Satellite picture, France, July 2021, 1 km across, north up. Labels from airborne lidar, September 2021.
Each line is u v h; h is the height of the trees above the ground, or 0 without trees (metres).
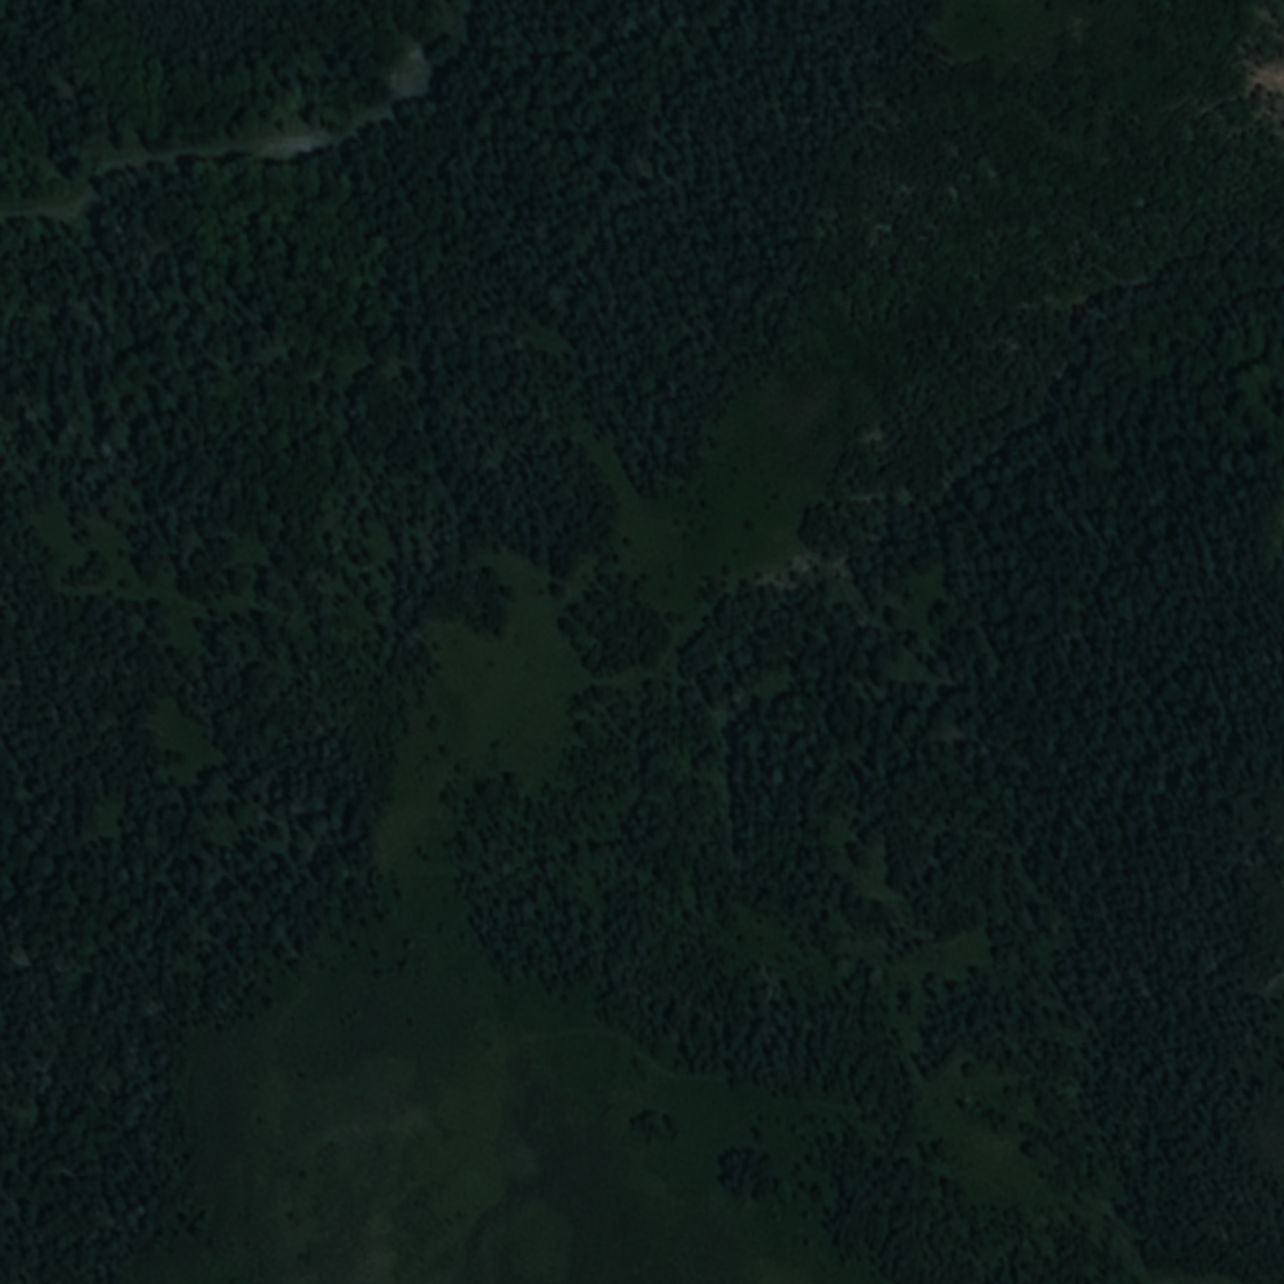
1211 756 16
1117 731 16
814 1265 0
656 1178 0
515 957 10
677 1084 0
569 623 16
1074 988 14
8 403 23
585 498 18
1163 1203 11
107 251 15
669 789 15
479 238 16
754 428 0
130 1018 17
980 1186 0
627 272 22
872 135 10
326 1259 0
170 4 16
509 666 0
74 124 30
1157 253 16
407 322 29
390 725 8
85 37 25
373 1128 0
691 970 16
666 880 21
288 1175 0
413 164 22
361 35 19
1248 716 17
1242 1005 14
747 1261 0
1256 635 15
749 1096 0
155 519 7
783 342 18
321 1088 0
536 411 10
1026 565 24
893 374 15
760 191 16
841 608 10
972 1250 13
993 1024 6
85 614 12
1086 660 15
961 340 21
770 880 10
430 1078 0
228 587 14
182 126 25
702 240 13
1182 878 21
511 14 21
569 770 6
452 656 0
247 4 19
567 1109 0
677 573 7
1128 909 15
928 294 21
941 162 21
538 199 18
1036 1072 8
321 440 21
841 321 20
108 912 15
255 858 32
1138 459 33
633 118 21
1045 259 23
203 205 33
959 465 16
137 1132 17
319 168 25
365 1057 0
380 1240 0
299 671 6
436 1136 0
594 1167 0
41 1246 14
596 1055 0
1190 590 18
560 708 0
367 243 28
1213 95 15
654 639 22
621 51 20
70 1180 15
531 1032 0
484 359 17
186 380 26
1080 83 15
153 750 20
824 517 16
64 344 18
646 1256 0
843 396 8
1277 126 18
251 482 23
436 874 0
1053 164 21
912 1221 22
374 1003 0
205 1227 7
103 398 22
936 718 21
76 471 20
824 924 18
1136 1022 21
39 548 17
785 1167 0
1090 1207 0
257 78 27
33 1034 24
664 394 13
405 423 13
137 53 26
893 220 20
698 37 17
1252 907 13
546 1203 0
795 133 10
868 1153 19
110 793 18
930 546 18
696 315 22
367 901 14
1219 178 18
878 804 14
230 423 15
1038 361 23
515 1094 0
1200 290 20
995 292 18
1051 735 16
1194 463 23
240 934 15
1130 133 17
